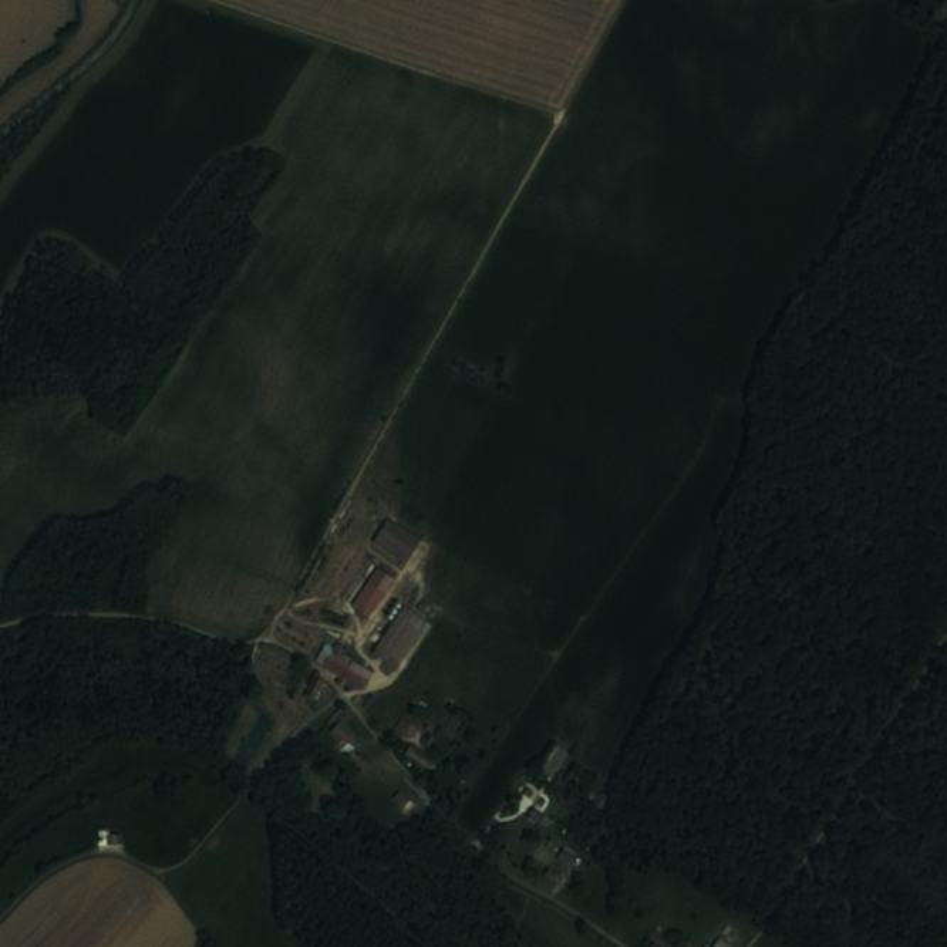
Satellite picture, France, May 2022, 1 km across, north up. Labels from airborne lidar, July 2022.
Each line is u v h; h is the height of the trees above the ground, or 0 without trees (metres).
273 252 0
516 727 0
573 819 7
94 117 0
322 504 0
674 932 7
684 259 0
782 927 21
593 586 0
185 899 0
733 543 19
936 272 32
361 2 0
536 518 0
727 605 22
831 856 20
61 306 22
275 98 0
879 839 26
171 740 18
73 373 23
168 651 21
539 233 0
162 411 0
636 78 0
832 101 0
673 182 0
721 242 0
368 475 0
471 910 20
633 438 0
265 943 0
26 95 0
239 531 0
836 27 0
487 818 0
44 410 0
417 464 0
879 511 27
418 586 0
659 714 20
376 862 20
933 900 27
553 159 0
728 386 0
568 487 0
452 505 0
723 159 0
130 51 0
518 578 0
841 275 24
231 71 0
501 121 0
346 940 28
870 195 21
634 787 17
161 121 0
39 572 16
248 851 0
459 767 20
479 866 20
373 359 0
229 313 0
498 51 0
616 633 0
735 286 0
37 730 21
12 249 0
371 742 0
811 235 0
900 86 0
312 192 0
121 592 14
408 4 0
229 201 16
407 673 0
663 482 0
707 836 23
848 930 26
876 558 25
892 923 23
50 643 17
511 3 0
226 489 0
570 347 0
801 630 23
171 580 0
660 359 0
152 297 21
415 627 0
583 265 0
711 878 24
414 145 0
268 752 0
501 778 0
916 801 28
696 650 22
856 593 27
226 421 0
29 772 11
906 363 27
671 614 0
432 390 0
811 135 0
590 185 0
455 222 0
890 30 0
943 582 29
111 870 0
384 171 0
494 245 0
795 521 26
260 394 0
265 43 0
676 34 0
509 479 0
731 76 0
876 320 27
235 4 0
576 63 0
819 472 27
